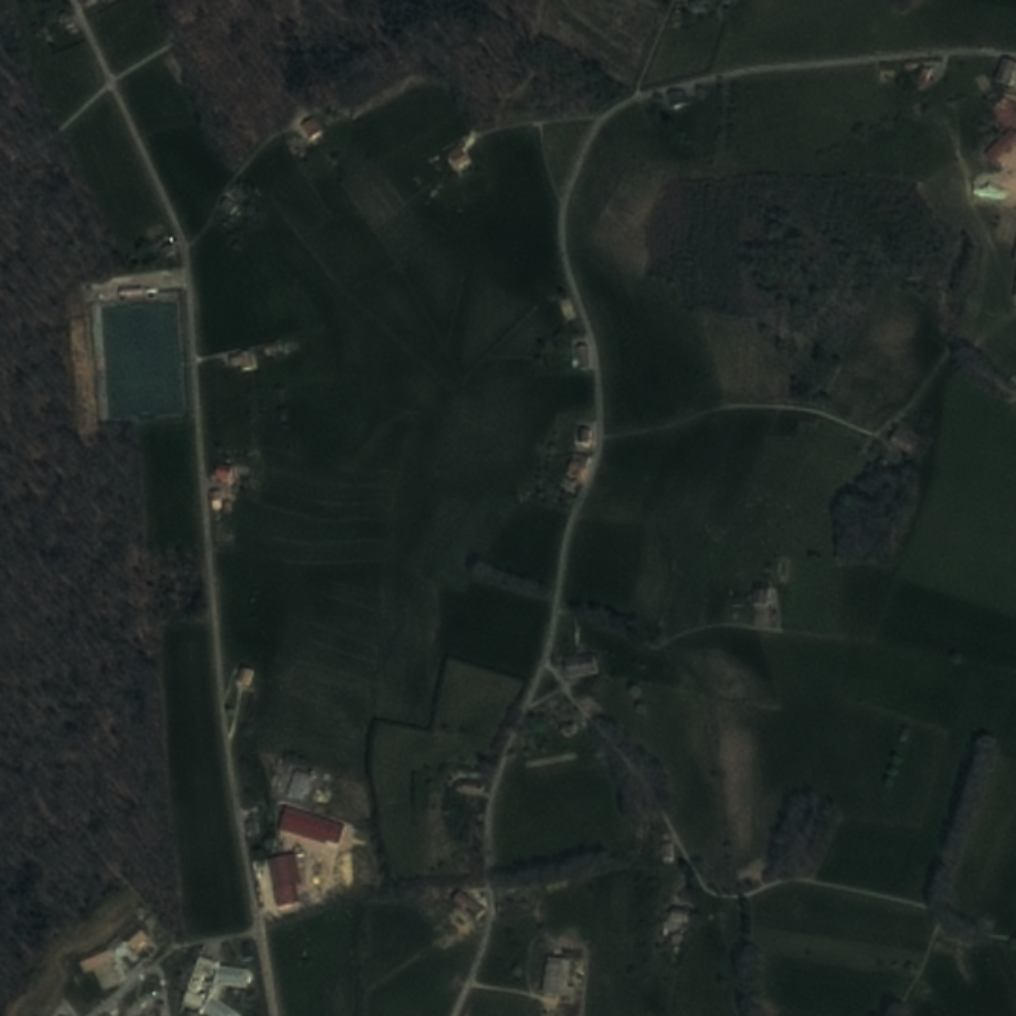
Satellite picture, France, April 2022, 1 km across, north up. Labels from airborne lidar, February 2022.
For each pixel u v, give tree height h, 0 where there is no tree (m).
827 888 0
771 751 0
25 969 22
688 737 0
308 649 0
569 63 23
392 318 0
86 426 0
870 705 0
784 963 0
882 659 0
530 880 24
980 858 0
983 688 0
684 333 0
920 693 0
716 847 0
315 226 0
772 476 0
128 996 0
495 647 0
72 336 0
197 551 0
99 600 25
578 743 0
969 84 0
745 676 0
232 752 0
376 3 11
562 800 0
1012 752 0
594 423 0
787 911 0
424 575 0
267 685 0
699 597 0
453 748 0
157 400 0
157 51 0
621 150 0
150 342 0
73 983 0
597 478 0
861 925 0
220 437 0
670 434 0
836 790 0
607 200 0
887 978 0
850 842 0
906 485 23
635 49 0
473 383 0
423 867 0
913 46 0
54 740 25
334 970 0
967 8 0
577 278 0
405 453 0
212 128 19
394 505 0
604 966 0
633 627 20
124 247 0
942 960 0
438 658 0
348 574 0
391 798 0
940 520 0
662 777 29
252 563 0
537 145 0
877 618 0
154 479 0
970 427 0
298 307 0
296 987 0
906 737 8
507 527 0
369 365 0
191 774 0
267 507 0
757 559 0
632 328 0
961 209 0
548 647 0
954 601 0
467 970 0
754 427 0
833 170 0
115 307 0
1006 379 12
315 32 8
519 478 0
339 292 0
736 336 0
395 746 0
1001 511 0
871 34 0
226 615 0
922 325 0
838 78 0
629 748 22
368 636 0
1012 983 0
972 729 0
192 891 0
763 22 0
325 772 0
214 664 0
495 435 0
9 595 28
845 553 20
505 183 0
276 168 0
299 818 0
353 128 0
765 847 0
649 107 0
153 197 0
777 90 0
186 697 0
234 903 0
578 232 0
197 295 0
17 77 30
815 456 0
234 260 0
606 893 0
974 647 0
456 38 28
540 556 0
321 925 0
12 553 30
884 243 0
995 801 0
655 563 0
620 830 0
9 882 23
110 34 0
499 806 0
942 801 0
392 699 0
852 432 0
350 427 0
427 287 0
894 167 0
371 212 0
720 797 0
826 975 0
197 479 0
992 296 0
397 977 0
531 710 0
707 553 0
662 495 0
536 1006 0
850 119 0
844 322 17
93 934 0
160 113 0
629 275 0
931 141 0
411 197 0
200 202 0
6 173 25
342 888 0
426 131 0
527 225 0
